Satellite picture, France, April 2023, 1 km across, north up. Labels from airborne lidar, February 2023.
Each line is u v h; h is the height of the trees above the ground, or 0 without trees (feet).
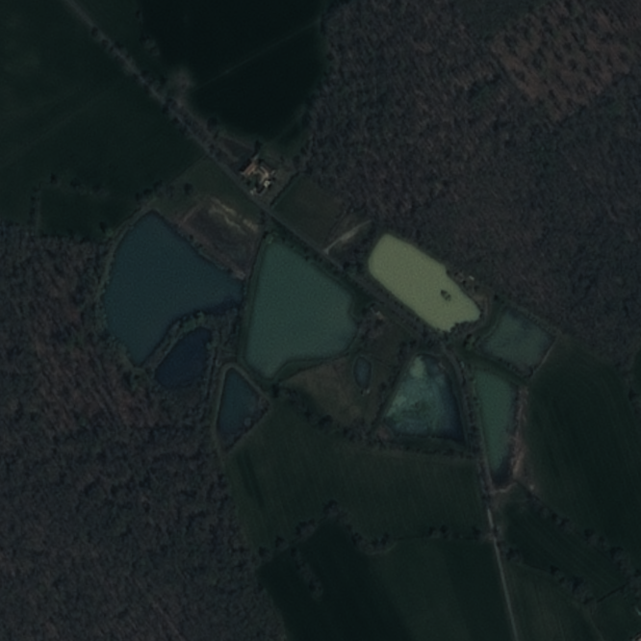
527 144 78
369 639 0
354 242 0
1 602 77
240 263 0
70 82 0
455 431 0
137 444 43
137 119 0
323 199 0
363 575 0
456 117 74
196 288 0
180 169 0
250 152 0
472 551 0
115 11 0
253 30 0
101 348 35
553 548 0
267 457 0
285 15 0
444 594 0
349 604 0
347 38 79
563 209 88
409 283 0
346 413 0
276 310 0
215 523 95
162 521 91
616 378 0
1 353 83
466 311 0
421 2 71
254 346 0
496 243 75
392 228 49
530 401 0
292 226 0
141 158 0
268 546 0
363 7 68
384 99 53
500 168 76
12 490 77
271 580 0
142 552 86
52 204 0
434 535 36
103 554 80
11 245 74
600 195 77
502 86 86
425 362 0
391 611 0
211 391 43
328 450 0
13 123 0
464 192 73
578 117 66
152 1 0
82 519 72
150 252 0
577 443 0
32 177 0
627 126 75
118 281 0
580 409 0
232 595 39
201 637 92
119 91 0
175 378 0
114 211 0
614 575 0
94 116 0
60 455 83
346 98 76
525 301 58
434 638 0
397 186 82
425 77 78
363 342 27
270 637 74
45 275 91
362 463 0
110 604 89
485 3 44
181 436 64
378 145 66
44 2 0
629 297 50
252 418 0
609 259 79
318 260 29
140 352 0
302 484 0
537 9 36
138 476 83
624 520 0
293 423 0
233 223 0
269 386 0
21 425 75
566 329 70
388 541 49
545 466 0
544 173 84
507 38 77
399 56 68
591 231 65
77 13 0
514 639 0
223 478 56
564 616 0
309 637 0
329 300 0
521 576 0
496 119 86
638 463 0
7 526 79
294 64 0
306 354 0
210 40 0
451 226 82
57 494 82
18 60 0
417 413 0
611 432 0
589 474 0
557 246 87
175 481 83
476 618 0
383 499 0
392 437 0
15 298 77
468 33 71
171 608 88
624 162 89
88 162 0
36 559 67
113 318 0
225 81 0
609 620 0
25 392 61
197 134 56
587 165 90
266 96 0
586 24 61
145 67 0
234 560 73
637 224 58
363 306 0
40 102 0
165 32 0
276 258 0
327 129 87
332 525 0
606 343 69
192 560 70
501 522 0
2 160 0
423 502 0
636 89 55
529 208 81
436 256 26
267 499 0
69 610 83
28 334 95
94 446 82
